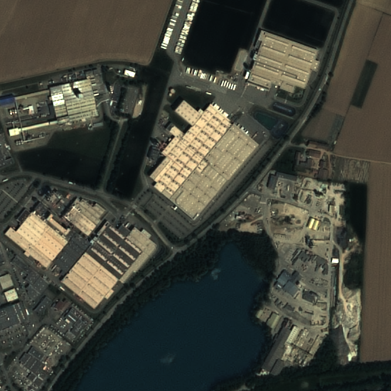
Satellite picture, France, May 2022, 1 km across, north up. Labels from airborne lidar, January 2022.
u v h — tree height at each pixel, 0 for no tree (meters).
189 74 0
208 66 0
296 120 0
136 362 0
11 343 0
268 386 18
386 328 0
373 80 0
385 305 0
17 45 0
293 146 0
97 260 0
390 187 0
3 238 0
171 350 0
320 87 0
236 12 0
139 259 0
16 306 0
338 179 0
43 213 0
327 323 0
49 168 0
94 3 0
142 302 8
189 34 0
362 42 0
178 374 0
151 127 0
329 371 13
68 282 0
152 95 0
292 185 0
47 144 0
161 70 0
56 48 0
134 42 0
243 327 0
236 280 0
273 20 0
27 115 0
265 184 0
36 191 0
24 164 0
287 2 0
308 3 0
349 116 0
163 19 0
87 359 13
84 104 0
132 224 0
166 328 0
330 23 0
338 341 0
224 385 25
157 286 10
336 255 0
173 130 0
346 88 0
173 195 0
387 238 0
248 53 0
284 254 0
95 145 0
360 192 0
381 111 0
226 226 0
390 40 0
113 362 0
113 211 0
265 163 0
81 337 0
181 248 0
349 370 16
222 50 0
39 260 0
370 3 0
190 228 0
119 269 0
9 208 0
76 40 0
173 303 0
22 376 0
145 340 0
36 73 0
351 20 0
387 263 0
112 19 0
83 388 0
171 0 0
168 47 0
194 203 0
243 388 0
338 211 0
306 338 0
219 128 0
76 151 0
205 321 0
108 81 0
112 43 0
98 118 0
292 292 0
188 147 0
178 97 0
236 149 0
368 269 0
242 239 20
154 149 0
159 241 0
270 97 0
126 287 17
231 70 0
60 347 0
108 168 0
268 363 0
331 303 0
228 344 0
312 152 0
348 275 0
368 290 0
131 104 0
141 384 0
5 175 0
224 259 0
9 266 0
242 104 0
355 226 0
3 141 0
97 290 0
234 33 0
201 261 15
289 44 0
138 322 0
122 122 0
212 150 0
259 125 0
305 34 0
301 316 0
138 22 0
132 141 0
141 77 0
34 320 0
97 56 0
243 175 0
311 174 0
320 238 0
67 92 0
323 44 0
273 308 0
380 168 0
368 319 0
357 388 18
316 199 0
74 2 0
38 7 0
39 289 0
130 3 0
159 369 0
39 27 0
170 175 0
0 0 0
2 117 0
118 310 15
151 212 0
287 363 0
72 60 0
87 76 0
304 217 0
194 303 0
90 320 0
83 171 0
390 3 0
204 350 0
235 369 0
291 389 0
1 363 0
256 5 0
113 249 0
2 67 0
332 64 0
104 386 0
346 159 0
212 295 0
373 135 0
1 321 0
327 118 0
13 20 0
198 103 0
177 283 0
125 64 0
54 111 0
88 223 0
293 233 0
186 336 0
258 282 0
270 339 14
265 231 8
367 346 0
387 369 18
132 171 0
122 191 0
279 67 0
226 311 0
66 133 0
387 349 0
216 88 0
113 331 21
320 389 23
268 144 0
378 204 0
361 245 0
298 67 0
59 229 0
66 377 10
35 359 0
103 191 0
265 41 0
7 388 8
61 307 0
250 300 0
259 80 0
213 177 0
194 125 0
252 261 16
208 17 0
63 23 0
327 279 0
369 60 0
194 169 0
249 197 0
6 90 0
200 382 0
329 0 0
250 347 0
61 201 0
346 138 0
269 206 0
